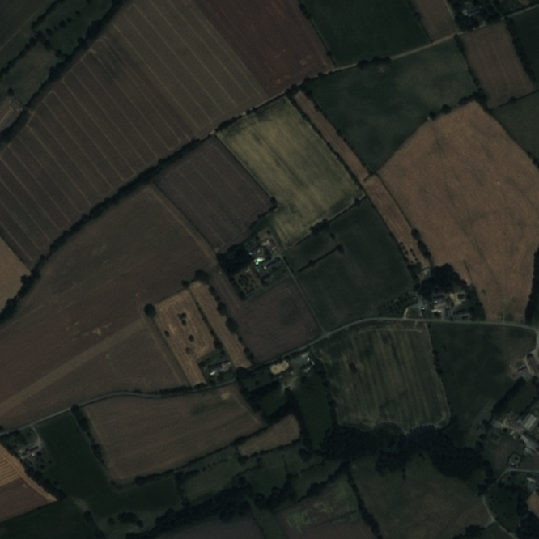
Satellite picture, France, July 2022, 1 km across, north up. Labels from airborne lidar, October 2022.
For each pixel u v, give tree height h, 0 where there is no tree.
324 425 0
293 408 17
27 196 0
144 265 0
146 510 0
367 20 0
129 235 0
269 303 0
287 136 0
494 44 0
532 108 0
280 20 0
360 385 0
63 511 0
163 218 0
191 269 0
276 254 0
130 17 0
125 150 0
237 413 0
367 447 20
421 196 0
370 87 0
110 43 0
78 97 0
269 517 0
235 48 0
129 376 0
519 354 0
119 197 13
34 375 0
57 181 0
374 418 0
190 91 0
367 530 0
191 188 0
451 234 0
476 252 0
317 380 0
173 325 0
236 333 7
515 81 0
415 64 0
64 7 0
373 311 0
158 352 0
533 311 12
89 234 0
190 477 9
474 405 0
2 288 0
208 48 0
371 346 0
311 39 0
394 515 0
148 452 0
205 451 0
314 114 0
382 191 0
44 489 11
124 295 0
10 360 0
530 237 0
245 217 0
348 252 0
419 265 6
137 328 0
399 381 0
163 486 0
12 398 0
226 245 0
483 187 0
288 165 0
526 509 17
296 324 0
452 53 0
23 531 0
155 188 0
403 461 22
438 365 15
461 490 0
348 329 0
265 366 14
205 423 0
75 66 0
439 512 0
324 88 0
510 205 0
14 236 0
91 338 0
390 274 0
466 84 0
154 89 0
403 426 0
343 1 0
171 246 0
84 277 0
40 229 0
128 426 0
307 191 0
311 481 0
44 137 0
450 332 0
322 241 0
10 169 0
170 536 0
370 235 0
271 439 0
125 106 0
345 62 0
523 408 0
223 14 0
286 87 0
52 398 0
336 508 0
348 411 0
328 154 0
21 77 0
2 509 0
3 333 0
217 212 0
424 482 0
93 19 0
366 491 0
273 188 0
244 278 7
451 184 0
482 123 0
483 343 0
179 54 0
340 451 20
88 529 0
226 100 0
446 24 0
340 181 0
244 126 0
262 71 0
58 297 0
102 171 0
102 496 0
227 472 0
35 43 15
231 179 0
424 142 0
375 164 0
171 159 11
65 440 0
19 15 0
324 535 0
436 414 0
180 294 0
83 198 0
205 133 0
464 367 0
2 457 0
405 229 0
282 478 0
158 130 0
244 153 0
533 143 0
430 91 0
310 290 0
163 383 0
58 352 0
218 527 0
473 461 23
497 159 0
